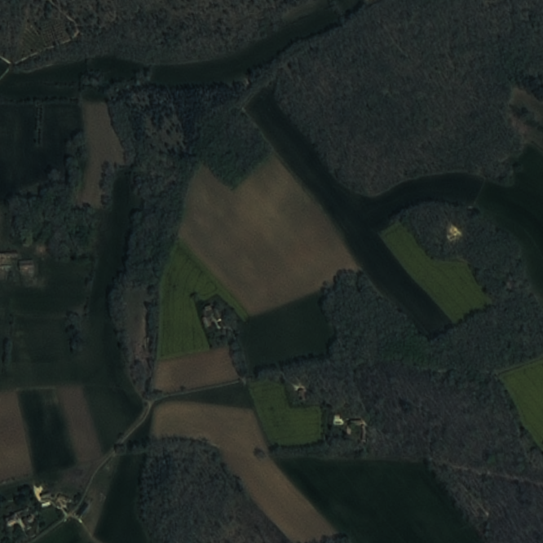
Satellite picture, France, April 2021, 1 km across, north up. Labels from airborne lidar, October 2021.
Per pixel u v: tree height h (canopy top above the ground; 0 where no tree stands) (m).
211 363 0
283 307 0
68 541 0
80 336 14
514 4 17
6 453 0
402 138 18
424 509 0
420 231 18
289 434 0
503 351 23
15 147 0
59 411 0
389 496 0
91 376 0
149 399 17
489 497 21
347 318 20
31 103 10
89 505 0
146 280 19
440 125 19
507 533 18
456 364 20
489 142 22
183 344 0
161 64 17
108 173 17
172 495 13
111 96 11
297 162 0
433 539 0
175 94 17
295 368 22
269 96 0
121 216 0
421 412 15
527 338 25
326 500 0
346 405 18
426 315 0
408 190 0
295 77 11
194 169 21
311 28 0
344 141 19
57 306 0
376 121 18
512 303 15
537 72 22
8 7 11
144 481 14
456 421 18
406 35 13
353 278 14
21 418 0
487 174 19
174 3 13
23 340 0
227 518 24
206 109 18
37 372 0
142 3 20
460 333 17
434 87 14
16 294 0
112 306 19
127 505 0
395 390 17
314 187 0
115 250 0
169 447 15
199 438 0
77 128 0
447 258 17
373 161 18
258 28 13
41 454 0
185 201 14
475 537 0
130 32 16
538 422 0
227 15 14
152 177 10
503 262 19
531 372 0
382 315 19
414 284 0
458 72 14
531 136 0
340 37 17
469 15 14
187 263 0
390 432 13
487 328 18
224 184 18
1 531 14
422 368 13
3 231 0
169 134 11
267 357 0
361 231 0
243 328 0
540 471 7
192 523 20
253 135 14
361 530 0
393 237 0
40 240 12
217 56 12
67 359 0
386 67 14
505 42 15
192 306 0
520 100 0
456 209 15
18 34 12
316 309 0
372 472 0
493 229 12
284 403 0
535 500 21
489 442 17
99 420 0
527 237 0
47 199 21
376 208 0
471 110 18
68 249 28
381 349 22
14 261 0
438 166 17
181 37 11
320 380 25
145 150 15
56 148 0
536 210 0
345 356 22
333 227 0
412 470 0
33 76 0
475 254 21
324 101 13
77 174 21
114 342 0
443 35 16
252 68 0
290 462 0
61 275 0
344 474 0
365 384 13
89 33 12
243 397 0
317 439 0
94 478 0
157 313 14
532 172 0
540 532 19
